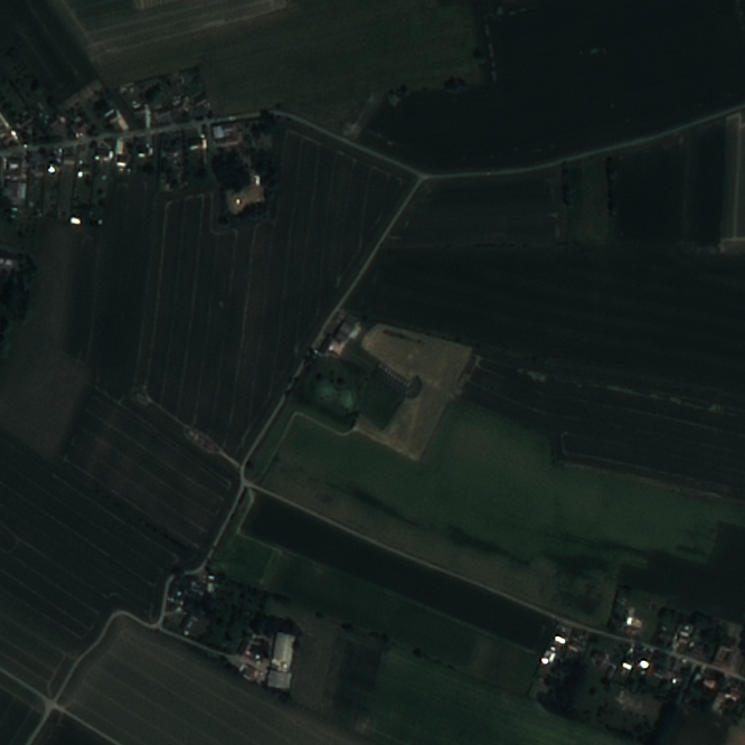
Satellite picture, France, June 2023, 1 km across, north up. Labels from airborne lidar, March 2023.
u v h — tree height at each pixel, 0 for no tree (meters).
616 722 0
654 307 0
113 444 0
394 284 0
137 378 0
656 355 0
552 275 0
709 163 0
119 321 0
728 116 0
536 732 0
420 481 0
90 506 0
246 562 0
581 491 0
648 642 0
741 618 0
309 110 0
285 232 0
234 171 28
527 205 0
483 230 0
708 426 0
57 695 0
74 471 0
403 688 0
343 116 0
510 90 0
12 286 22
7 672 0
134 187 0
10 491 0
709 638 7
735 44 0
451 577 0
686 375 0
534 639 0
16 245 0
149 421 0
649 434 0
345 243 0
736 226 0
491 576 0
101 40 0
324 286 0
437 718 0
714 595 0
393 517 0
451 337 0
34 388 0
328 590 0
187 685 0
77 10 0
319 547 0
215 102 0
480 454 0
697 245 0
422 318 0
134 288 0
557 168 0
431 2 0
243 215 9
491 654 0
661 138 0
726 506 0
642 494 0
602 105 0
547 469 0
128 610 0
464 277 0
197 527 0
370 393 0
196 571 0
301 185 0
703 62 0
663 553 0
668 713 22
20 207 0
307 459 0
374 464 0
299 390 0
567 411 0
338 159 0
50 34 0
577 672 26
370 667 0
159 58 0
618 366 0
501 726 0
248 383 0
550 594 0
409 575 0
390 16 0
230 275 0
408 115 0
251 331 0
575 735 0
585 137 0
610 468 0
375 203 0
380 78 0
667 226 0
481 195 0
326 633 0
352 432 0
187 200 0
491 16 0
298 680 0
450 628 0
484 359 0
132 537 0
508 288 0
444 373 0
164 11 0
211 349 0
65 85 0
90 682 0
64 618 0
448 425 0
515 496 0
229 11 0
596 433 0
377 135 0
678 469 0
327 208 0
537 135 0
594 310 0
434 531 0
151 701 0
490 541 0
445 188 0
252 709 0
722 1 0
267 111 0
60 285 0
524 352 0
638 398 0
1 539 0
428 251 0
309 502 0
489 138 0
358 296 0
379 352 0
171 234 0
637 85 0
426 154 0
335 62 0
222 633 0
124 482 0
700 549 0
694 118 0
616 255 0
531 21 0
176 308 0
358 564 0
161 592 0
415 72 0
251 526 0
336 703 0
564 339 0
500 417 0
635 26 0
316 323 0
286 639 0
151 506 0
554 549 0
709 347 0
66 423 0
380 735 0
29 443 0
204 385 0
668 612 10
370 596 0
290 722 0
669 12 0
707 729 0
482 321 0
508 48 0
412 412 0
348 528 0
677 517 0
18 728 0
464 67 0
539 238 0
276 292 0
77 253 0
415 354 0
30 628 0
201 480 0
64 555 0
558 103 0
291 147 0
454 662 0
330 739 0
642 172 0
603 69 0
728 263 0
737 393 0
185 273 0
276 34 0
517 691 0
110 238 0
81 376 0
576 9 0
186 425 0
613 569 0
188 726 0
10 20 0
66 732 0
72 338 0
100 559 0
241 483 0
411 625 0
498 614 0
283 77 0
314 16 0
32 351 0
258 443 0
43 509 0
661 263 0
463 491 0
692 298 0
